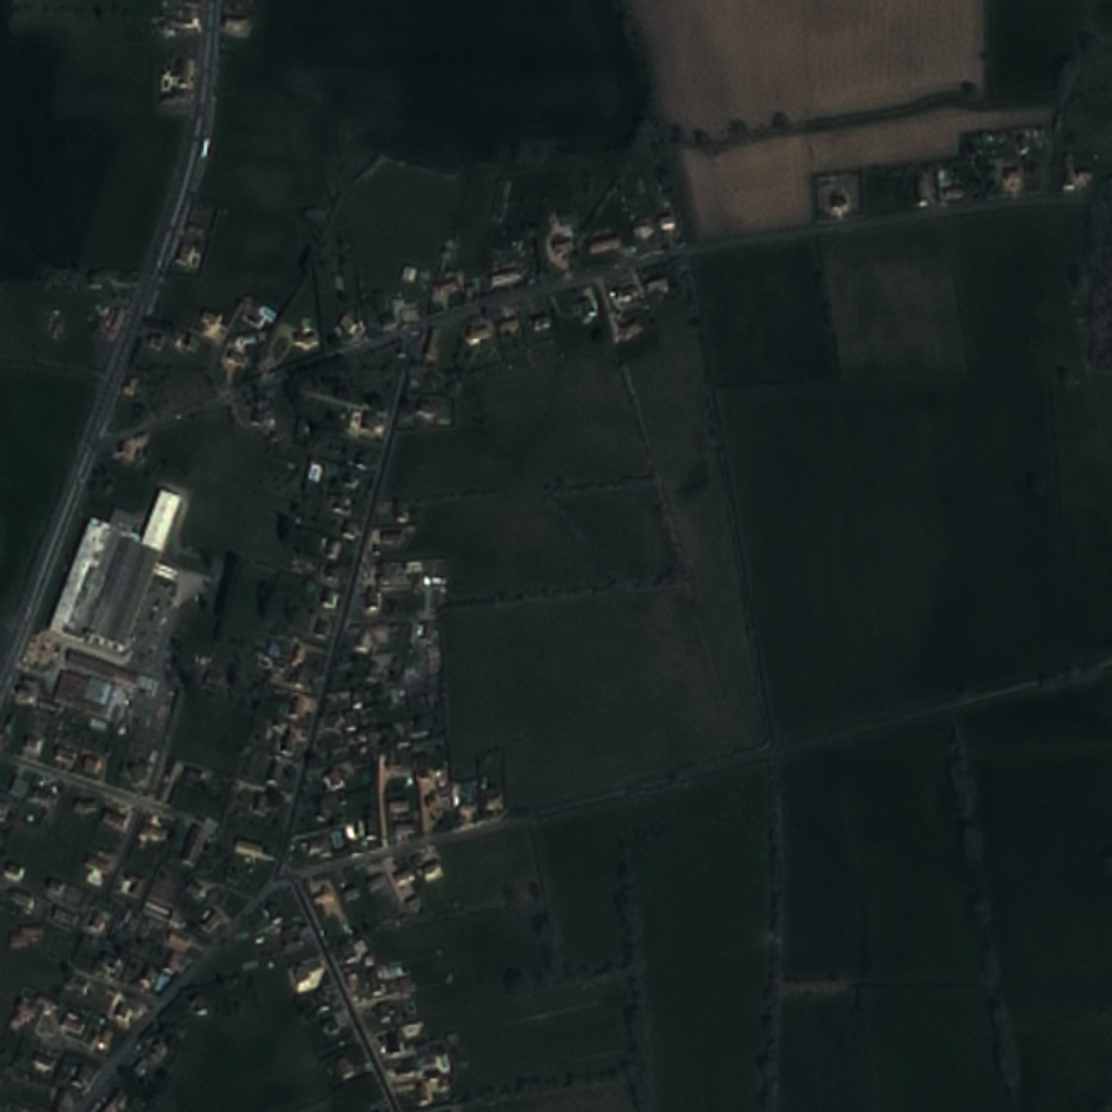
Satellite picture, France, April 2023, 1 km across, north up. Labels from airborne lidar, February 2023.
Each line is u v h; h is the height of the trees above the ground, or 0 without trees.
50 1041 0
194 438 0
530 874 0
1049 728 0
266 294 0
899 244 0
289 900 0
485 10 0
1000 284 0
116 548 0
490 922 0
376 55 0
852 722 0
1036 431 0
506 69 0
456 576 0
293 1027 0
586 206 0
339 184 0
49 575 0
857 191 0
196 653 0
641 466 0
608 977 9
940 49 0
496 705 0
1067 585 0
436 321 0
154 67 0
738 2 0
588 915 0
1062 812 0
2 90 0
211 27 0
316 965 0
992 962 12
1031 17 0
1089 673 12
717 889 0
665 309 0
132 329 0
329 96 0
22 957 0
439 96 0
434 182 0
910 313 0
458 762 0
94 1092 0
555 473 0
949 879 0
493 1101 11
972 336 0
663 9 0
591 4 0
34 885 0
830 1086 0
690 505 0
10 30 0
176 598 0
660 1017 0
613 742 0
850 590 0
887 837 0
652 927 0
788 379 0
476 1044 0
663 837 0
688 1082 0
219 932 0
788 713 0
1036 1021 0
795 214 0
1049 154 0
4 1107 0
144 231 0
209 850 8
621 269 0
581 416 0
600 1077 9
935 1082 0
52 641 0
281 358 0
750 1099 0
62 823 0
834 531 0
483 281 0
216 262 0
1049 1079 0
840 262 0
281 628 7
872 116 0
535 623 0
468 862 0
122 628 0
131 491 0
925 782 0
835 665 0
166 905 0
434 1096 0
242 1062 0
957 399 0
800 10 0
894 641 0
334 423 13
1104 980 0
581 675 0
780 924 6
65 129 0
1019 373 0
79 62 0
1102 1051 0
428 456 0
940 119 0
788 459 0
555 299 0
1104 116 0
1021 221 0
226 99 0
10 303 0
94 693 0
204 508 0
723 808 0
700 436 0
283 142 0
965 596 0
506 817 0
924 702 0
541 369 0
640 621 0
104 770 0
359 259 0
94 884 0
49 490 0
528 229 8
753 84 0
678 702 0
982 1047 0
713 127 0
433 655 0
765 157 0
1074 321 0
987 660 0
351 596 0
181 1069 0
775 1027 17
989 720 0
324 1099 0
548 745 0
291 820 0
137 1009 12
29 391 0
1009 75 0
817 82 0
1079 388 0
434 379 6
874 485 0
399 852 0
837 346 0
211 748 0
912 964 0
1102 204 12
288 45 0
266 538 0
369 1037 0
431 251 0
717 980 0
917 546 0
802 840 0
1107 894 0
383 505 0
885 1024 0
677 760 0
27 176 0
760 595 0
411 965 0
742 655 0
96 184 0
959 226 0
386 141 0
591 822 0
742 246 0
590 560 0
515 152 11
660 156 16
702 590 0
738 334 0
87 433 0
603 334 10
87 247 0
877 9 0
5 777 0
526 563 0
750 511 0
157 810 0
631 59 0
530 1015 0
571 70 0
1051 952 0
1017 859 0
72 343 0
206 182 0
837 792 0
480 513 0
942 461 0
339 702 8
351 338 0
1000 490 0
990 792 0
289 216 0
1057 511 0
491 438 0
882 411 0
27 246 0
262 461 0
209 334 0
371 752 8
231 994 0
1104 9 0
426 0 0
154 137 0
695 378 0
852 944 0
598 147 0
